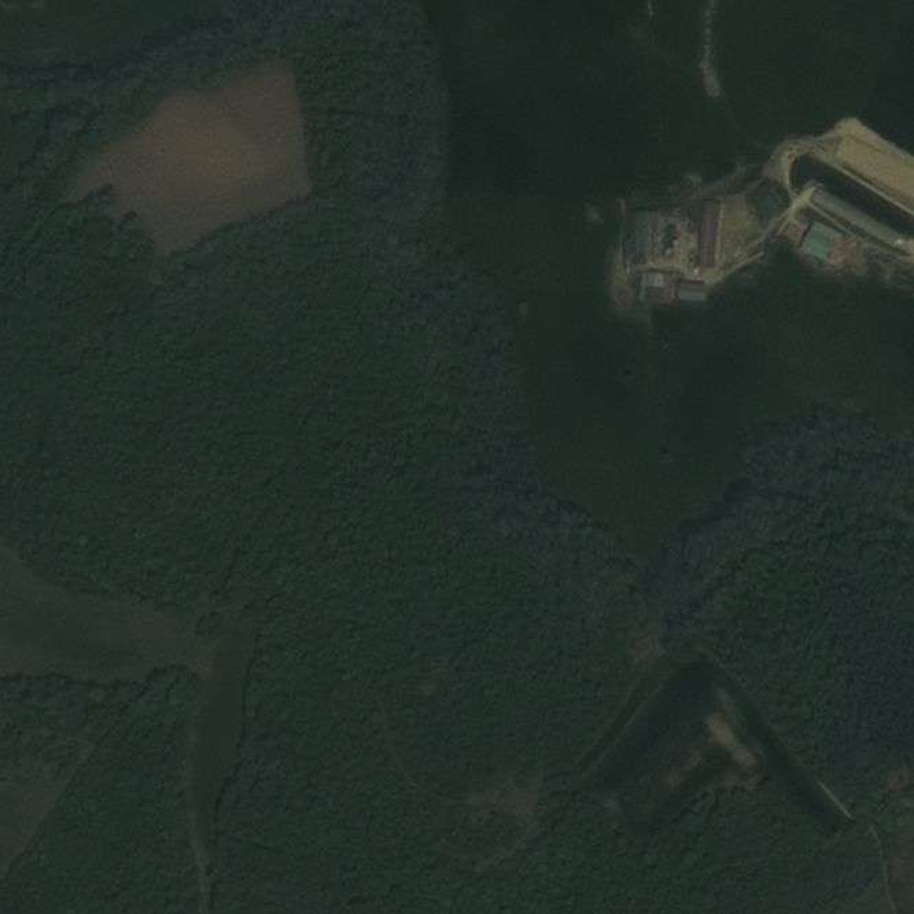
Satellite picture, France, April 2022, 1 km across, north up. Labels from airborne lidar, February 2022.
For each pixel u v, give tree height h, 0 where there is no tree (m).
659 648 0
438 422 26
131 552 17
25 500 8
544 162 0
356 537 11
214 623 12
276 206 0
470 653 13
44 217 13
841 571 20
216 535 10
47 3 0
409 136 30
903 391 0
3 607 0
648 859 18
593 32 0
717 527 17
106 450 7
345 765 9
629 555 20
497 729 5
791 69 0
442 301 28
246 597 21
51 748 7
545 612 15
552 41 0
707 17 0
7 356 18
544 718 6
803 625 18
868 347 0
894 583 23
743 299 0
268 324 11
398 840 11
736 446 0
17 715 13
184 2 0
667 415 0
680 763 0
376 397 13
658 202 0
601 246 0
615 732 0
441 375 26
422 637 7
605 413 0
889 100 0
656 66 0
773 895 21
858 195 0
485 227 0
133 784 9
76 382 13
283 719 20
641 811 0
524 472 26
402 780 5
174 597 12
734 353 0
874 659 21
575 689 13
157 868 19
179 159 0
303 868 18
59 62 0
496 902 9
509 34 0
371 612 11
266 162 0
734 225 0
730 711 0
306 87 9
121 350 10
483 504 31
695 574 26
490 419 28
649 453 0
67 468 11
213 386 7
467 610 12
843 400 0
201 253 12
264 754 20
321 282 12
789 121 0
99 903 8
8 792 0
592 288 0
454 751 12
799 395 0
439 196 31
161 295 12
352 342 12
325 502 18
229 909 16
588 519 16
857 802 17
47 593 0
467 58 0
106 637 0
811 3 0
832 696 23
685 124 0
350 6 29
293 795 12
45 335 16
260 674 17
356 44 25
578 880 9
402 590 14
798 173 0
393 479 17
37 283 21
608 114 0
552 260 0
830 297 0
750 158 0
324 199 19
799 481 28
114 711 16
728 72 0
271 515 19
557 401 0
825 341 0
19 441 18
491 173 0
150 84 17
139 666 0
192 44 22
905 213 0
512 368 20
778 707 22
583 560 28
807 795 0
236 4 32
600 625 21
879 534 25
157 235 0
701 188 0
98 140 17
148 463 11
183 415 7
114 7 0
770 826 22
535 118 0
